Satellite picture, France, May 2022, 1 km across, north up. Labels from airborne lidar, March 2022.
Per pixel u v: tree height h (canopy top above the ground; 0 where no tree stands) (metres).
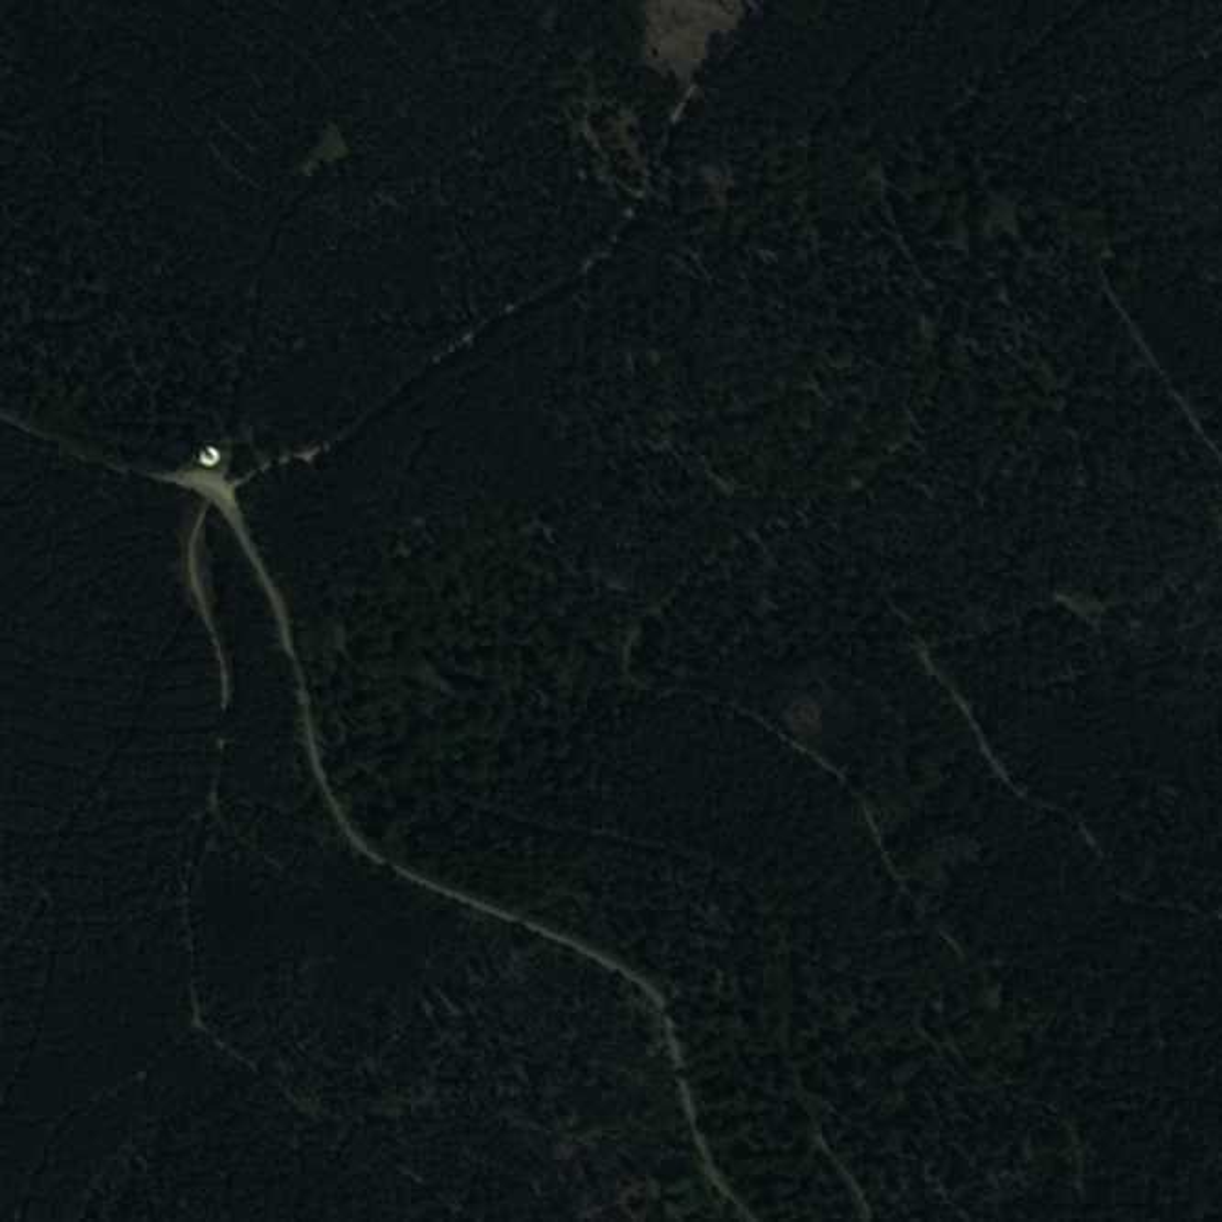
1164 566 22
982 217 37
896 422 24
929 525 27
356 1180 23
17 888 21
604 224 15
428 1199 22
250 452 13
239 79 15
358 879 6
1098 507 31
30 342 24
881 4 25
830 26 21
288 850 6
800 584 35
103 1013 8
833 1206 15
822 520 21
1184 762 18
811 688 28
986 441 27
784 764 17
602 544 14
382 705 28
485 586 12
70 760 16
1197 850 18
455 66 11
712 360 24
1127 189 28
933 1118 8
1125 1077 11
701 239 10
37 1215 8
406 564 18
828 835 12
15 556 17
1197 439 24
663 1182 27
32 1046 14
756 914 11
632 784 19
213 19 15
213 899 8
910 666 19
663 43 0
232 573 16
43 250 21
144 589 15
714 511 17
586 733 22
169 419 13
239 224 18
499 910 0
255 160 11
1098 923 20
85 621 15
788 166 21
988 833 19
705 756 14
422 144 16
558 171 13
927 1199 37
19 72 21
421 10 15
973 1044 23
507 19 17
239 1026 10
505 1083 24
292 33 15
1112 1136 14
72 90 23
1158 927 18
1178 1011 18
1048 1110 41
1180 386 19
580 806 15
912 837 23
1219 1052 22
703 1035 10
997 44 25
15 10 18
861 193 9
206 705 16
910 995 11
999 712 16
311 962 24
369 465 19
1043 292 10
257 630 16
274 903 8
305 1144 21
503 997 5
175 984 10
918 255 39
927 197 31
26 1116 14
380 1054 25
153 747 17
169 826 15
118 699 17
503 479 20
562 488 22
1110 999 19
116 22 12
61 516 13
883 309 34
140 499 16
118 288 23
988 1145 39
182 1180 17
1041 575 19
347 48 15
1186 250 27
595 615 12
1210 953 20
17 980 15
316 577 15
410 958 6
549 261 27
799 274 24
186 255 16
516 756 13
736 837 12
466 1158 20
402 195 10
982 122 30
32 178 19
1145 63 23
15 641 11
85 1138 10
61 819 12
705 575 10
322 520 16
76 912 12
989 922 18
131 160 19
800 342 27
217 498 0
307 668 15
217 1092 8
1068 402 14
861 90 27
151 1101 9
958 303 19
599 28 16
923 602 26
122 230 22
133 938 6
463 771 28
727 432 22
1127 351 9
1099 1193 13
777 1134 25
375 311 6
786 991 15
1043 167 27
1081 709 20
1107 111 27
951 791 22
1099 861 18
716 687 28
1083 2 17
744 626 19
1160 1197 15
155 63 21
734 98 24
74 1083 12
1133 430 14
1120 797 15
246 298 16
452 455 18
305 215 14
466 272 25
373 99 16
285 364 10
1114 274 27
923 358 15
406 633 28
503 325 19
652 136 15
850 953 18
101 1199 15
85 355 21
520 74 19
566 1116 19
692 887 8
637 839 13
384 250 13
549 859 12
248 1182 24
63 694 15
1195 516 23
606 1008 6
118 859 7
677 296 27
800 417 22
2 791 15
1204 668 35
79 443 7
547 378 12
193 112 19
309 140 18
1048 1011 15
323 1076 7
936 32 19
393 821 26
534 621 22
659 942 27
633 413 27
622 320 24
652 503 30
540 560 33
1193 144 23
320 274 11
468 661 32
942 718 13
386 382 14
